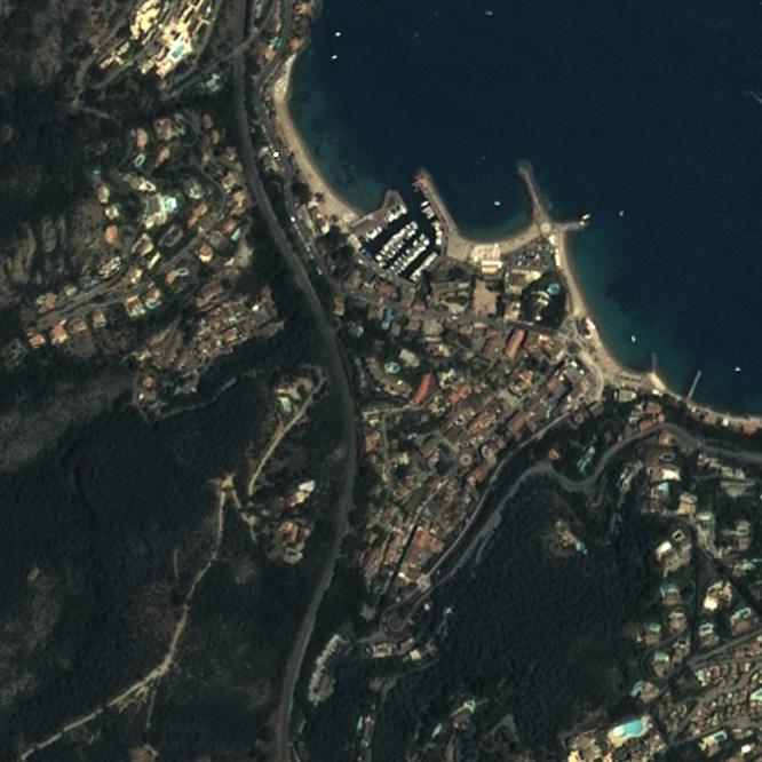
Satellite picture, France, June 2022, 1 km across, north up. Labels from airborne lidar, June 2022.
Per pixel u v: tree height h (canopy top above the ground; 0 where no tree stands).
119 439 12
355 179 0
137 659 11
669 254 0
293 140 0
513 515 7
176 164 7
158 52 0
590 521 12
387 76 0
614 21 0
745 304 0
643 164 0
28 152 7
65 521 15
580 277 0
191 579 8
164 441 8
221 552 11
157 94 10
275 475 19
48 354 12
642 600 10
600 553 14
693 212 0
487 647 14
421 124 0
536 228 0
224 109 9
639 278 0
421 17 0
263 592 10
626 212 0
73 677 15
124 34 10
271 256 14
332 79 0
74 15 15
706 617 8
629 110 0
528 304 11
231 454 7
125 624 15
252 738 6
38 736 10
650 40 0
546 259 0
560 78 0
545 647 15
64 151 6
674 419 7
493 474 7
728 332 0
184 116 10
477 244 0
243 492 9
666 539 6
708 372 0
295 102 0
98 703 9
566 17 0
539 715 12
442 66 0
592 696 9
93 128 9
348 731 7
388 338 8
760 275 0
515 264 0
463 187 0
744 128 0
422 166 0
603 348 0
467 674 13
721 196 0
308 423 11
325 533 12
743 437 17
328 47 0
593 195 0
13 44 13
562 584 12
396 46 0
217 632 9
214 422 9
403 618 8
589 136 0
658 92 0
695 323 0
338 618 11
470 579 7
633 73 0
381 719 8
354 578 12
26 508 13
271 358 7
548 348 0
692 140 0
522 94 0
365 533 6
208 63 15
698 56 0
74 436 22
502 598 17
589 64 0
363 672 7
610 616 10
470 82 0
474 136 0
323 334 8
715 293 0
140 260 6
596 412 0
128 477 12
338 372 7
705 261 0
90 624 17
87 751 11
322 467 7
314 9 12
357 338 13
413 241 0
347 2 0
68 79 10
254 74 9
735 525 11
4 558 11
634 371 0
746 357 0
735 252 0
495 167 0
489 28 0
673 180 0
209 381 6
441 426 6
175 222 8
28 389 8
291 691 0
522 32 0
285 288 17
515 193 0
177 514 10
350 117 0
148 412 10
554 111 0
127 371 7
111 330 15
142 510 14
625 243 0
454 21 0
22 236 9
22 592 9
